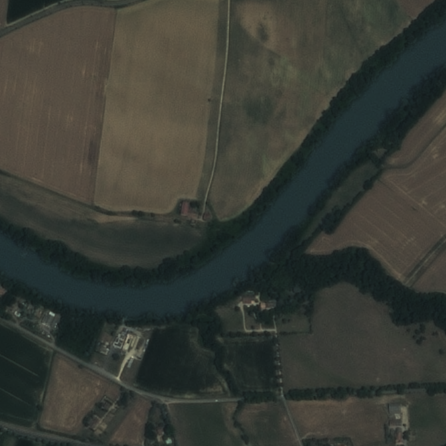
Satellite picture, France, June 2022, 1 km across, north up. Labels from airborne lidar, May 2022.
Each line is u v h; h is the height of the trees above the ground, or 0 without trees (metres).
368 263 17
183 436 0
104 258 0
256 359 0
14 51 0
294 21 0
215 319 8
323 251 0
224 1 0
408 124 26
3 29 0
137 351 0
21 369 0
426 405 0
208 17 0
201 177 0
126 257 0
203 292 0
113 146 0
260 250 0
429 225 0
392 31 0
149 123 0
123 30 0
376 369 0
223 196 0
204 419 0
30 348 0
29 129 0
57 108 0
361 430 0
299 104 0
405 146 0
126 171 0
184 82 0
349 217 0
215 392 0
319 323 0
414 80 0
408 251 0
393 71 0
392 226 0
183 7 0
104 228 0
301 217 0
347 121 0
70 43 0
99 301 0
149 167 0
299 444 0
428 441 0
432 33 0
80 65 0
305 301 19
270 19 0
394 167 0
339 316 0
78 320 13
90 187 0
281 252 30
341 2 0
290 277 16
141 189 0
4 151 0
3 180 0
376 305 0
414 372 0
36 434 0
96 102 0
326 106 0
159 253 0
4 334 0
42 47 0
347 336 0
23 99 0
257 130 0
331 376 0
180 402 0
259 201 15
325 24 0
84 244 0
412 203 0
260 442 0
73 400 0
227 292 19
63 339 15
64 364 0
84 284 0
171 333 0
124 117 0
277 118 0
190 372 0
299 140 0
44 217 0
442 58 0
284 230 0
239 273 0
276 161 0
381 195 0
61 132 0
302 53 0
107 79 0
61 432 6
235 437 0
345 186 0
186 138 0
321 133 34
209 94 0
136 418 0
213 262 0
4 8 0
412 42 30
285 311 26
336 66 0
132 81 0
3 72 0
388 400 0
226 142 0
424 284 0
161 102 0
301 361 0
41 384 0
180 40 0
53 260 25
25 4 0
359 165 15
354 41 0
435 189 0
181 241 0
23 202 0
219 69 0
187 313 14
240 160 0
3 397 0
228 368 0
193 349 0
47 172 0
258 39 0
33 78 0
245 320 0
